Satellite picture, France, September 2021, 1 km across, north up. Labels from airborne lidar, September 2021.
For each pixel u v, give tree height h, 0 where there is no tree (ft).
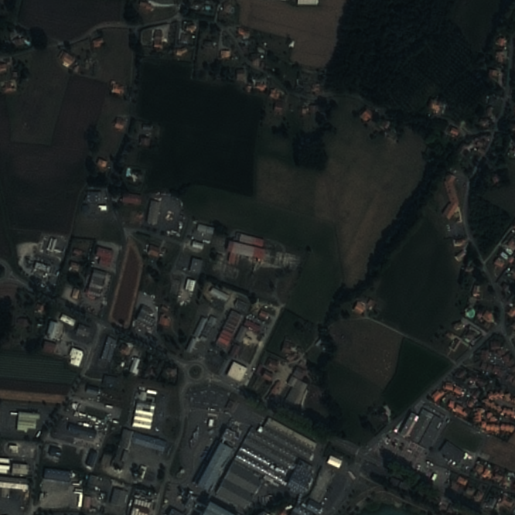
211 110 0
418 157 0
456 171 0
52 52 0
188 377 0
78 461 0
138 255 0
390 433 0
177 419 0
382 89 76
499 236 25
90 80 0
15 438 0
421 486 101
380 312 0
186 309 0
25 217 0
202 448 0
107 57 0
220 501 0
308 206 0
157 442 0
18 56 0
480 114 55
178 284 0
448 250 0
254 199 0
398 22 28
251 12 0
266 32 0
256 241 0
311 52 0
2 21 42
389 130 19
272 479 0
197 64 19
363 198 0
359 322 0
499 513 0
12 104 0
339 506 0
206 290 0
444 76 80
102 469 0
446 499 0
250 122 0
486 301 0
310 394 0
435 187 55
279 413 89
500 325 0
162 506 0
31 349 68
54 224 0
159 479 24
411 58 64
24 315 0
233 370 0
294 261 0
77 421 0
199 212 0
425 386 0
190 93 0
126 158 22
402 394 0
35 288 77
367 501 24
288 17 0
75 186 0
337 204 0
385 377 0
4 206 0
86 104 0
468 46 88
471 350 0
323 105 60
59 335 0
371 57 64
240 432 0
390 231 45
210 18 24
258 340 0
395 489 45
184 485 0
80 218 0
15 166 0
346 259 0
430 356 0
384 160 0
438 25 55
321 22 0
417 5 39
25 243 0
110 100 0
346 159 0
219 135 0
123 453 0
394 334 0
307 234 0
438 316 0
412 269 0
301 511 0
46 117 0
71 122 0
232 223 0
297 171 0
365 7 68
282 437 0
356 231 0
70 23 0
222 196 0
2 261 0
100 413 0
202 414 0
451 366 0
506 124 33
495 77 0
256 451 0
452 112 0
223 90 0
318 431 106
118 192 49
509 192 0
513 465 0
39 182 0
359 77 73
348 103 0
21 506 0
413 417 0
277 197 0
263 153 0
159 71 0
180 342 36
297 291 0
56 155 0
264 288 0
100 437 0
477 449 0
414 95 74
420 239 0
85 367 0
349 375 0
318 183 0
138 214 0
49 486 0
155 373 55
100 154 0
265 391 0
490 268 0
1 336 78
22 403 0
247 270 0
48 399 0
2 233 0
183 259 0
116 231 0
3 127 0
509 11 95
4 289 0
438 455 0
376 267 75
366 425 62
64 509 0
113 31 0
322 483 0
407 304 0
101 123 0
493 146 17
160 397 0
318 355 0
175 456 0
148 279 0
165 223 0
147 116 0
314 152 75
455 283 0
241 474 0
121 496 0
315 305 0
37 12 0
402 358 0
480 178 48
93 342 0
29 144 0
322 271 0
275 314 0
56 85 0
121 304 0
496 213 25
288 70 0
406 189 0
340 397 0
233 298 0
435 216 0
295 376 0
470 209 26
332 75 53
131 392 0
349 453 0
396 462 85
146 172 0
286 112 0
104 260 0
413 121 36
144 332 0
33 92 0
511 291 46
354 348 0
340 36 46
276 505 46
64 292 0
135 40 46
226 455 0
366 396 0
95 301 0
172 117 0
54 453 0
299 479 0
